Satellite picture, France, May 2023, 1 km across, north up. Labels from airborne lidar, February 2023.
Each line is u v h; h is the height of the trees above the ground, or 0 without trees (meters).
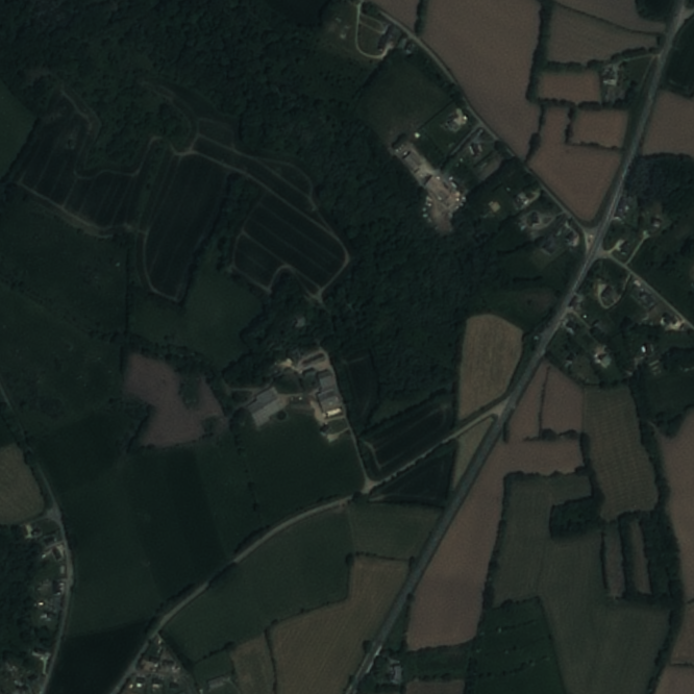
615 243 0
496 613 0
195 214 0
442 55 0
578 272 0
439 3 0
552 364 10
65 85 0
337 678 0
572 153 0
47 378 0
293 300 14
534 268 0
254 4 10
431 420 0
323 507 0
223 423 0
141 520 0
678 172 17
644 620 0
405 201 6
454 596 0
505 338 0
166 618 0
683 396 0
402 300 7
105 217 0
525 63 0
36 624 0
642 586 0
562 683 0
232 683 0
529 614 0
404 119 0
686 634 0
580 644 0
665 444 0
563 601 0
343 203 11
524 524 0
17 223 0
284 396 0
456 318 13
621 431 0
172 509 0
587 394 0
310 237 0
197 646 0
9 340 0
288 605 0
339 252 0
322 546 0
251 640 0
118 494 0
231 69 17
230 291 0
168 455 0
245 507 0
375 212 10
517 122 0
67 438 0
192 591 11
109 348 0
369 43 0
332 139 10
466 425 0
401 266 13
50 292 0
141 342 13
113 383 0
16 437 11
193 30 18
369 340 14
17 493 0
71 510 0
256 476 0
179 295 0
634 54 11
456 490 0
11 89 13
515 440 0
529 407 0
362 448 12
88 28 12
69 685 0
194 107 0
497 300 0
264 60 11
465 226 12
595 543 0
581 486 0
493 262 11
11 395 0
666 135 0
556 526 9
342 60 0
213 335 0
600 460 0
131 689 0
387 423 12
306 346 8
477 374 0
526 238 0
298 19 0
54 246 0
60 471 0
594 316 0
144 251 0
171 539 0
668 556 12
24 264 0
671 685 0
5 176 6
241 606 0
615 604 0
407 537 0
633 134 0
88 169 0
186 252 0
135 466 0
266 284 0
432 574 0
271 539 0
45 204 0
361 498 15
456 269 9
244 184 19
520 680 0
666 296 0
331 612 0
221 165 0
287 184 0
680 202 19
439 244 8
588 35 0
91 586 0
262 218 0
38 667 0
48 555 0
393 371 9
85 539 0
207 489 0
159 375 0
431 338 6
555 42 0
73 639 0
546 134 0
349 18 0
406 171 12
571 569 0
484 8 0
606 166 0
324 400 0
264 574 0
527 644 0
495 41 0
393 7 0
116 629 0
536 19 0
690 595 0
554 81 0
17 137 0
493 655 0
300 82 8
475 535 0
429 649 8
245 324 0
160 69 7
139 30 10
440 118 0
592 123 0
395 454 0
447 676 7
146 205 0
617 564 14
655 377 0
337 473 0
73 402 0
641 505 0
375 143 16
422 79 0
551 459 0
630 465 0
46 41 10
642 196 18
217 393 14
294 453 0
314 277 0
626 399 0
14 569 8
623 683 0
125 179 0
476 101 0
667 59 0
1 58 12
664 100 0
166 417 0
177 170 0
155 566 0
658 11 0
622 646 0
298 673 0
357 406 0
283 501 0
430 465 0
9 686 0
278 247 0
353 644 0
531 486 0
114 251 0
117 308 0
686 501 0
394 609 0
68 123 0
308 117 16
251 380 11
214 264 0
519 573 0
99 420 0
